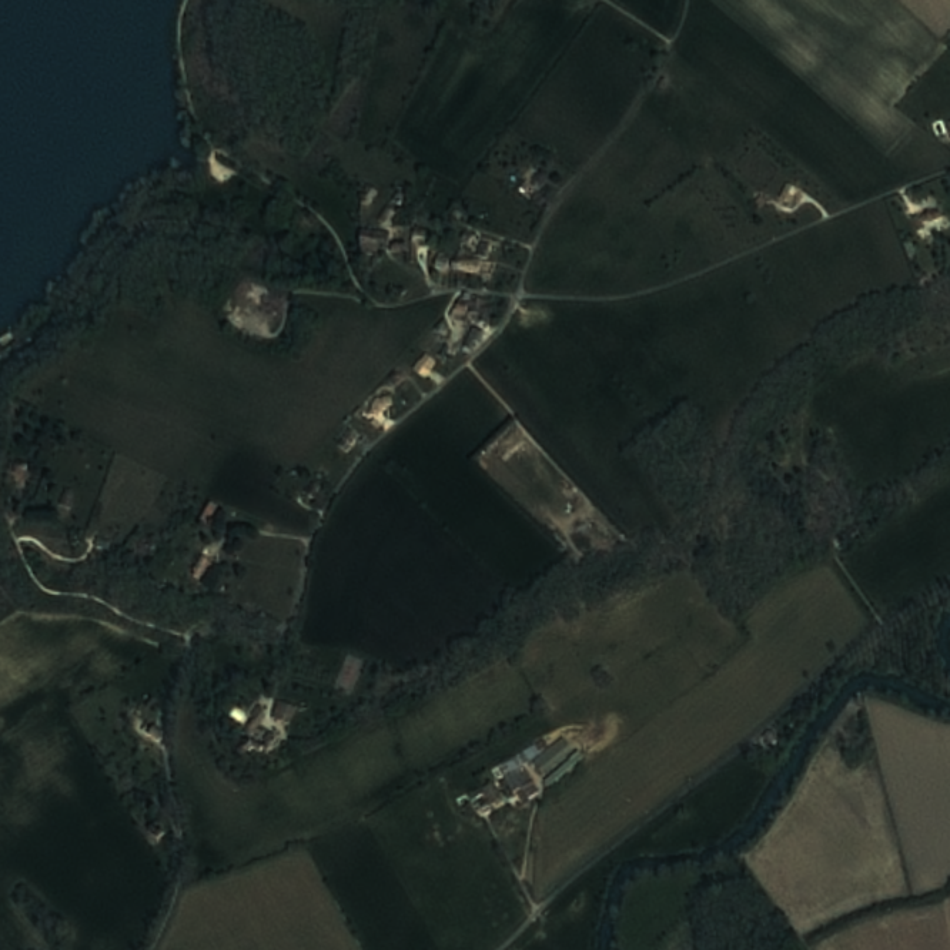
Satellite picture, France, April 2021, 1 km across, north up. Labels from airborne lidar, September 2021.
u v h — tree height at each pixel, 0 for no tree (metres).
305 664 14
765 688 0
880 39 0
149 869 0
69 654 0
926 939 0
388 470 8
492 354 0
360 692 0
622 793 0
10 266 0
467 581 0
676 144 0
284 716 0
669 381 0
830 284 0
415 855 0
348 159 0
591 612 10
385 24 0
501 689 0
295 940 0
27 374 16
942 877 0
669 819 0
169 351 0
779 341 0
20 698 0
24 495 6
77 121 0
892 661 23
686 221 0
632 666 0
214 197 0
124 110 0
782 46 0
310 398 0
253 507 0
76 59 0
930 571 0
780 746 13
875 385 0
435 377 0
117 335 0
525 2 0
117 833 0
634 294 0
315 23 0
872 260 0
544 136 0
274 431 0
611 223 0
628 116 0
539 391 0
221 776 12
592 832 0
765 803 0
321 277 15
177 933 0
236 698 9
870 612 10
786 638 0
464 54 0
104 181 0
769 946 23
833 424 0
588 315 0
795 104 0
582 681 0
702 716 0
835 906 0
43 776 0
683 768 0
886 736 0
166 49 0
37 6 0
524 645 20
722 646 0
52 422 10
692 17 0
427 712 0
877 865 0
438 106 0
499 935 0
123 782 13
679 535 12
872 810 0
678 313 0
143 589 17
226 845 0
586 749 0
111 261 15
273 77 14
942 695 21
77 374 0
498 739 15
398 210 8
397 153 6
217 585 11
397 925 0
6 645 0
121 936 0
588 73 0
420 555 0
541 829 0
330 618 0
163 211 10
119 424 0
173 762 6
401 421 0
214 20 17
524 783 0
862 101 0
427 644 0
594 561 12
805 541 20
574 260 0
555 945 0
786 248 0
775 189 0
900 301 18
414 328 0
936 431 0
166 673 0
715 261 0
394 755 0
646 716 0
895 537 0
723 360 0
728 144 0
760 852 0
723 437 0
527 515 8
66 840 0
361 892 0
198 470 0
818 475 20
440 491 0
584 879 0
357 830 0
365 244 0
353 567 0
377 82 0
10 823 0
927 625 22
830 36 0
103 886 0
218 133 6
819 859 0
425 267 0
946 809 0
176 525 8
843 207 0
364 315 0
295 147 14
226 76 16
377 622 0
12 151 0
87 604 11
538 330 0
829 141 0
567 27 0
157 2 0
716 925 23
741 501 13
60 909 0
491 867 0
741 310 0
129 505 0
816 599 0
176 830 12
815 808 0
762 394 12
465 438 0
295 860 0
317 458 0
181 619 20
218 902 0
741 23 0
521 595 11
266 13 15
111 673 0
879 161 0
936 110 0
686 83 0
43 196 0
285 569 0
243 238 11
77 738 0
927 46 0
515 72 0
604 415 0
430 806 0
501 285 7
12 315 0
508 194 7
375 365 0
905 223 0
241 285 0
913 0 0
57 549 0
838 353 21
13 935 0
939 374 0
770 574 21
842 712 0
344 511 0
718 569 16
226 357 0
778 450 20
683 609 0
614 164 0
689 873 13
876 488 9
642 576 19
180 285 14
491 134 0
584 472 0
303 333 15
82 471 0
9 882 0
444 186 0
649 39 0
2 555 20
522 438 0
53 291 14
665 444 13
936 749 0
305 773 0
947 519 0
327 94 17
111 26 0
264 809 0
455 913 0
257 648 19
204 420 0
